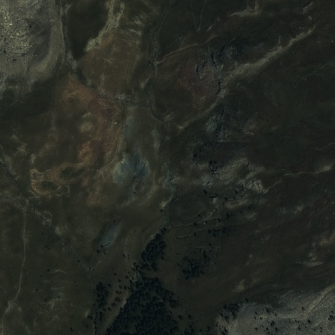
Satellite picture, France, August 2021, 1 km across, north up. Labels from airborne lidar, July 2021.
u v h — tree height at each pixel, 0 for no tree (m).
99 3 0
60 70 0
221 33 0
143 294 20
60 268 0
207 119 0
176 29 0
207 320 0
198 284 0
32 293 0
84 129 0
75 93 0
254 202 0
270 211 0
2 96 0
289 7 0
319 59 0
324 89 0
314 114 0
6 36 0
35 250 0
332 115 0
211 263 0
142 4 0
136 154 0
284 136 0
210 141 0
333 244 0
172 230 0
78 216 0
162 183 0
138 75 0
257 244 0
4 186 0
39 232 0
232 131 0
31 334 0
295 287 0
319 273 0
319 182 0
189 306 0
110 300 0
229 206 0
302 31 0
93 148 0
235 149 0
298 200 0
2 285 0
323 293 0
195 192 0
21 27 0
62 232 0
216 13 0
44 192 0
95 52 0
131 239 0
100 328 0
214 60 0
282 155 0
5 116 0
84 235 0
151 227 0
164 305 13
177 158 0
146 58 0
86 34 0
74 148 0
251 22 0
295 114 0
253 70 0
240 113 0
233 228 0
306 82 0
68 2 0
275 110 0
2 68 0
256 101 0
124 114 0
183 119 0
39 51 0
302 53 0
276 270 0
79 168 0
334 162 0
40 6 0
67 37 0
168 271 0
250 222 0
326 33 0
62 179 0
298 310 0
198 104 0
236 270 0
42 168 0
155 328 20
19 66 0
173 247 0
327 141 0
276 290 0
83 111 0
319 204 0
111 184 0
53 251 0
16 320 0
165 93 0
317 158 0
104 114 0
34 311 0
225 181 0
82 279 0
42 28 0
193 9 0
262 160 0
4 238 0
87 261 0
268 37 0
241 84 0
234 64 0
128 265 0
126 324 20
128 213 0
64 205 0
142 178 0
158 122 0
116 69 0
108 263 0
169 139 0
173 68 0
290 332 0
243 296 0
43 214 0
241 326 0
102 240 0
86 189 0
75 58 0
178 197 0
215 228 0
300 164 0
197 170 0
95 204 0
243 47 0
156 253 21
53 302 0
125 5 0
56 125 0
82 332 0
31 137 0
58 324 0
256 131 0
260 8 0
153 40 0
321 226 0
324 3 0
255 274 0
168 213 0
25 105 0
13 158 0
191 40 0
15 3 0
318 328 0
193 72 0
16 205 0
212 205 0
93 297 0
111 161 0
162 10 0
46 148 0
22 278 0
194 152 0
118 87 0
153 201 0
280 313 0
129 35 0
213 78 0
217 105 0
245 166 0
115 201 0
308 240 0
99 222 0
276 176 0
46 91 0
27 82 0
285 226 0
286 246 0
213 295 0
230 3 0
